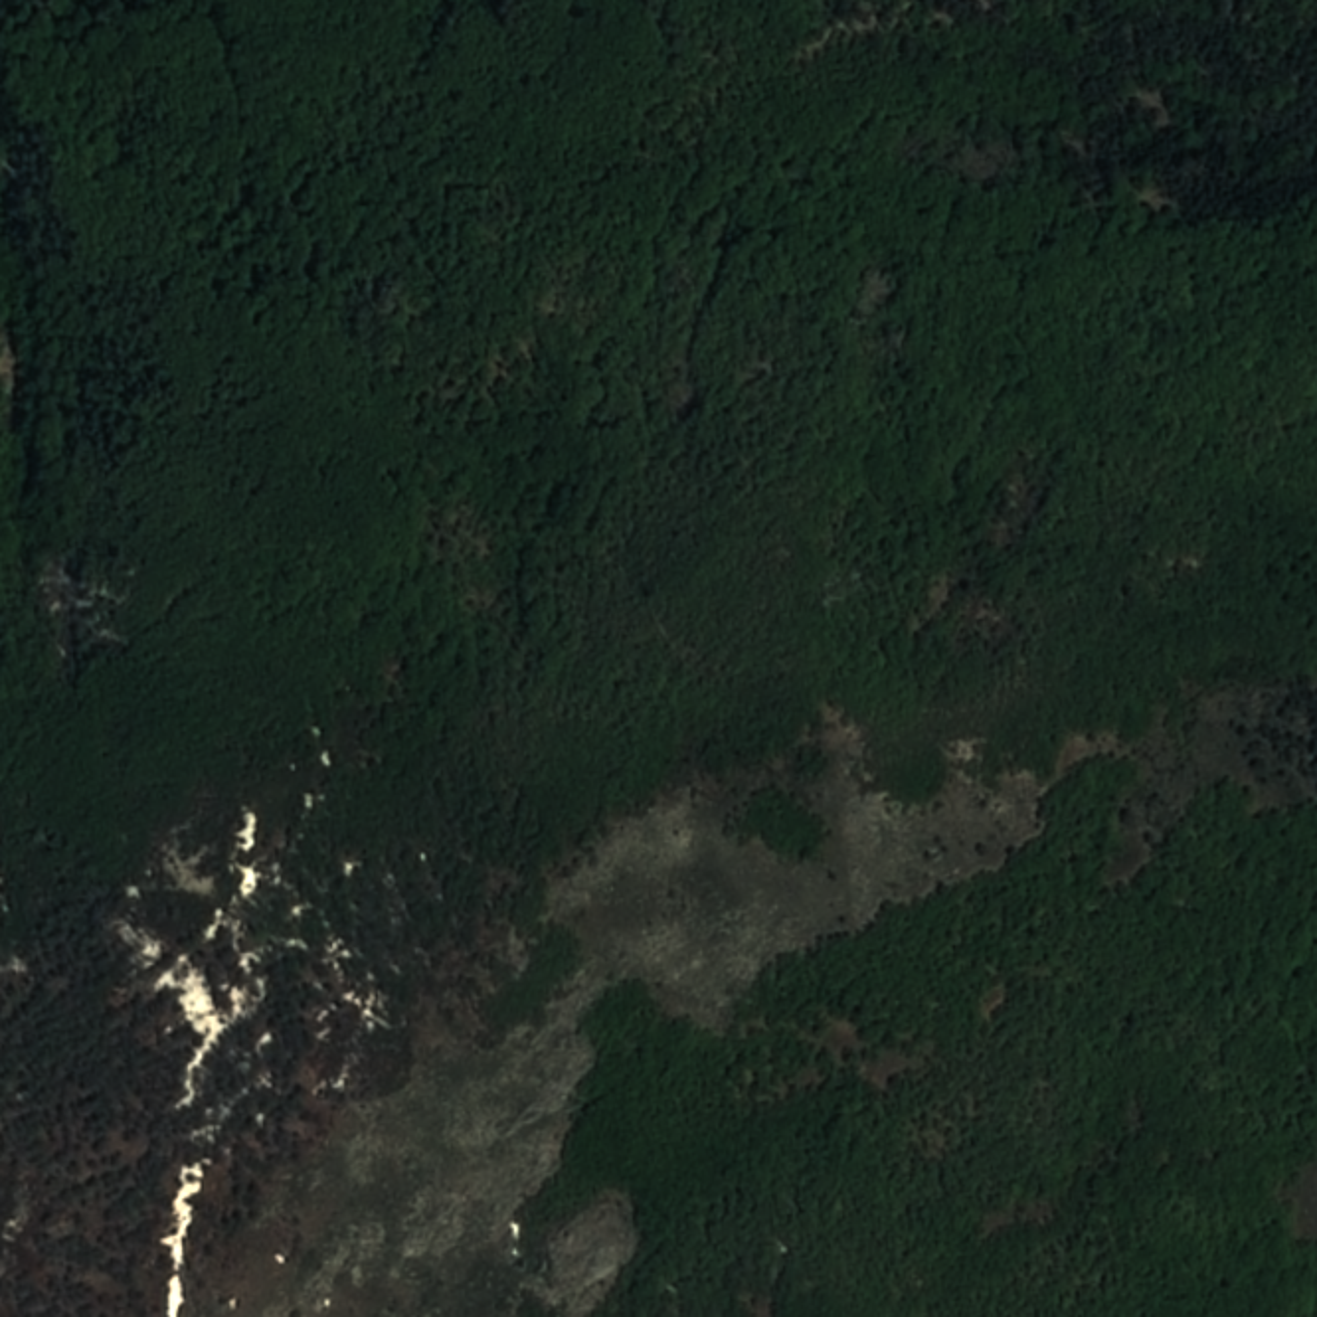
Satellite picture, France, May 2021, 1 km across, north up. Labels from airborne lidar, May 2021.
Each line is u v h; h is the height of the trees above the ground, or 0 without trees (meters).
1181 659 14
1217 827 19
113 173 22
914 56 24
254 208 22
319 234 22
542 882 6
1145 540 9
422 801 9
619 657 7
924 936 9
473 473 29
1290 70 16
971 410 18
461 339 17
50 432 33
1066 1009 15
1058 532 10
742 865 0
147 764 7
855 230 24
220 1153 6
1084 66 17
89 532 8
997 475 8
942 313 22
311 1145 10
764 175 25
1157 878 15
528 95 18
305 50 20
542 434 27
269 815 0
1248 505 15
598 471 29
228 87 16
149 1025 8
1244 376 15
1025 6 15
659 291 9
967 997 15
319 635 9
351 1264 0
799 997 16
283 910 10
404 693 7
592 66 19
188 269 17
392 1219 0
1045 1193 18
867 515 19
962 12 26
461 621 14
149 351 12
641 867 0
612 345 21
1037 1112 7
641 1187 17
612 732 9
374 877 8
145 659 9
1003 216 26
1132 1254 11
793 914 0
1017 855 9
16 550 11
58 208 13
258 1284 0
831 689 9
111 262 14
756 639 6
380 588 12
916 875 0
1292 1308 23
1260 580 11
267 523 13
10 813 7
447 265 17
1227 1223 12
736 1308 12
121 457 13
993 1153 13
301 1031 15
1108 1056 11
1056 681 5
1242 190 19
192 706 11
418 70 12
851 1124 17
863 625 17
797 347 8
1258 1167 11
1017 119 21
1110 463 11
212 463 11
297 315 22
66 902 6
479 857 10
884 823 0
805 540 7
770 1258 10
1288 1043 18
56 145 13
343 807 7
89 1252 8
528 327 14
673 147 17
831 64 12
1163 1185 13
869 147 21
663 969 0
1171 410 10
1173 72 19
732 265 23
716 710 8
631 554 6
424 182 22
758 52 13
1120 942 14
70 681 7
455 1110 0
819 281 20
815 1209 9
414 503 26
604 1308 6
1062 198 20
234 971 10
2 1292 10
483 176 19
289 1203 0
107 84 19
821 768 6
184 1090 8
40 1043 12
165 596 8
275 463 18
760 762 6
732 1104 12
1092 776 14
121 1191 8
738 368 6
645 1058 18
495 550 11
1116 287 17
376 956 13
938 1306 9
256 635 12
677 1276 11
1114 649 9
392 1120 0
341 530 19
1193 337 23
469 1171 0
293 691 8
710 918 0
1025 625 9
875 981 13
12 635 15
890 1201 15
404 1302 0
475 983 6
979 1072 7
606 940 0
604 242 14
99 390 18
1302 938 26
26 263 8
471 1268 0
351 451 21
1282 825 22
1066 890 16
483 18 15
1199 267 22
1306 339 19
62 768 10
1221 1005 19
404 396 14
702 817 0
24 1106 13
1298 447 12
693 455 14
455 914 7
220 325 24
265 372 19
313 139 13
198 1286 9
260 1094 12
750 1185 17
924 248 23
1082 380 16
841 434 13
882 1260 11
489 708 7
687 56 8
